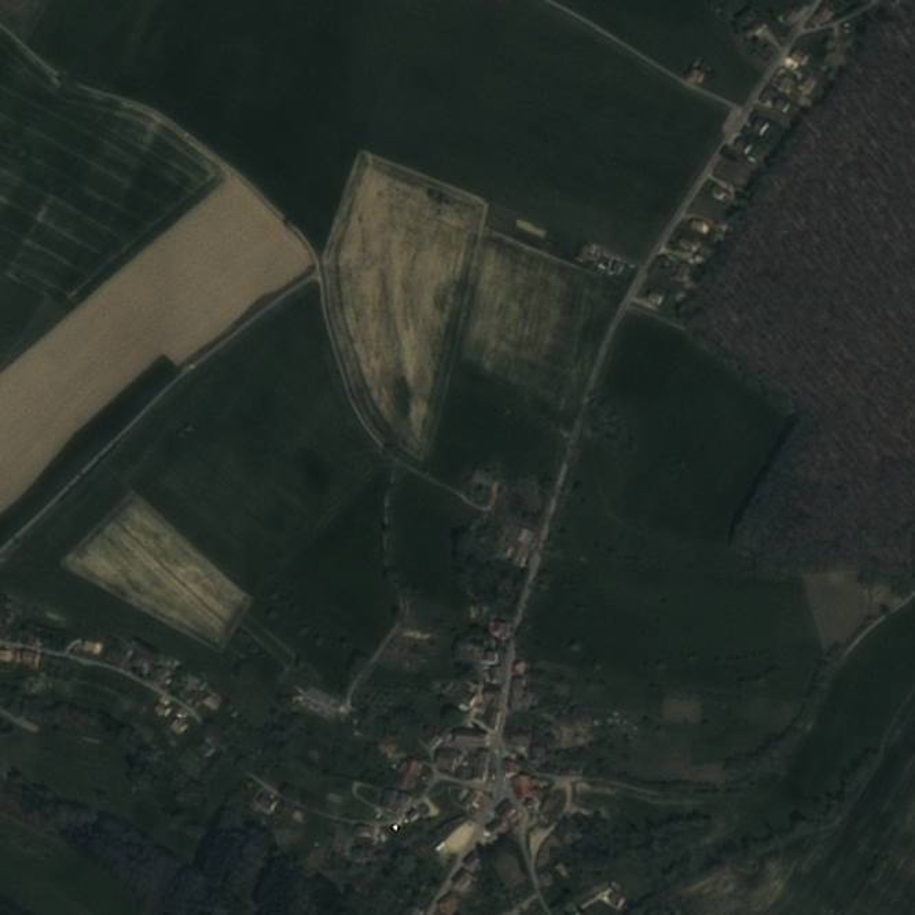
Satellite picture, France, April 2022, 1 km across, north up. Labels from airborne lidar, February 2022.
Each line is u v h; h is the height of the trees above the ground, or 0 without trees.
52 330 0
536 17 0
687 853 21
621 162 0
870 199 26
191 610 0
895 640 0
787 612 0
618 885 0
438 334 0
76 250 0
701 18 0
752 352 26
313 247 0
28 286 0
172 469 0
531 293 0
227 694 0
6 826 0
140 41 0
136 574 0
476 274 0
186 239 0
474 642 7
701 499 0
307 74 0
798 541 30
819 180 24
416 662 0
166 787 0
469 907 0
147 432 0
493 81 0
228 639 0
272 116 0
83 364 0
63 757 0
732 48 0
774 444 0
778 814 0
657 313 0
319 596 0
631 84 0
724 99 0
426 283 0
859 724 0
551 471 0
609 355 0
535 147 0
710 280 26
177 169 0
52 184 0
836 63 0
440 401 0
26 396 0
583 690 0
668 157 0
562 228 0
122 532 0
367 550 0
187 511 0
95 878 0
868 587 20
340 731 0
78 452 0
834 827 0
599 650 0
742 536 21
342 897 12
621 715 0
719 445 0
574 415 0
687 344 0
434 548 0
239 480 0
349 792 0
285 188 0
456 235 0
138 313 0
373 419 0
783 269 26
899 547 33
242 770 21
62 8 0
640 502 0
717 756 0
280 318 0
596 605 0
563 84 0
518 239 0
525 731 0
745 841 0
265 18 0
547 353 0
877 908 0
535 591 7
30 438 0
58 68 0
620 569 0
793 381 28
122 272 0
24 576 0
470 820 0
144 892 29
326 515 0
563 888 0
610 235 0
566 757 10
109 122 0
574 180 0
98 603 0
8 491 0
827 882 0
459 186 0
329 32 0
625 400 0
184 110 0
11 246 0
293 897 21
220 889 30
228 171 0
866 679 0
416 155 0
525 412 0
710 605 0
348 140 0
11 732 0
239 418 0
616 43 0
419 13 0
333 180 0
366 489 0
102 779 0
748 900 0
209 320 0
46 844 0
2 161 0
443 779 0
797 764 0
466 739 0
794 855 0
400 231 0
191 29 0
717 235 0
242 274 0
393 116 0
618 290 0
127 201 0
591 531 0
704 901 0
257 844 29
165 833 0
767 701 0
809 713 9
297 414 0
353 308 0
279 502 0
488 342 0
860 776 21
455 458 0
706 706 0
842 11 6
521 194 0
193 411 0
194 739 0
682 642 0
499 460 0
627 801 0
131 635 0
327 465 0
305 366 0
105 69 0
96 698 0
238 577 0
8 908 0
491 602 16
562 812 0
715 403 0
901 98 28
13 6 0
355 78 0
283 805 7
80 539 0
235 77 0
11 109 0
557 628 0
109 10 0
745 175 0
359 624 0
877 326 27
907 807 0
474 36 0
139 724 0
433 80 0
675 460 0
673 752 0
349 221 0
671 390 0
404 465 16
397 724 21
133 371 0
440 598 0
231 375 0
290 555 0
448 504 0
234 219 0
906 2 24
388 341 0
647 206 0
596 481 0
